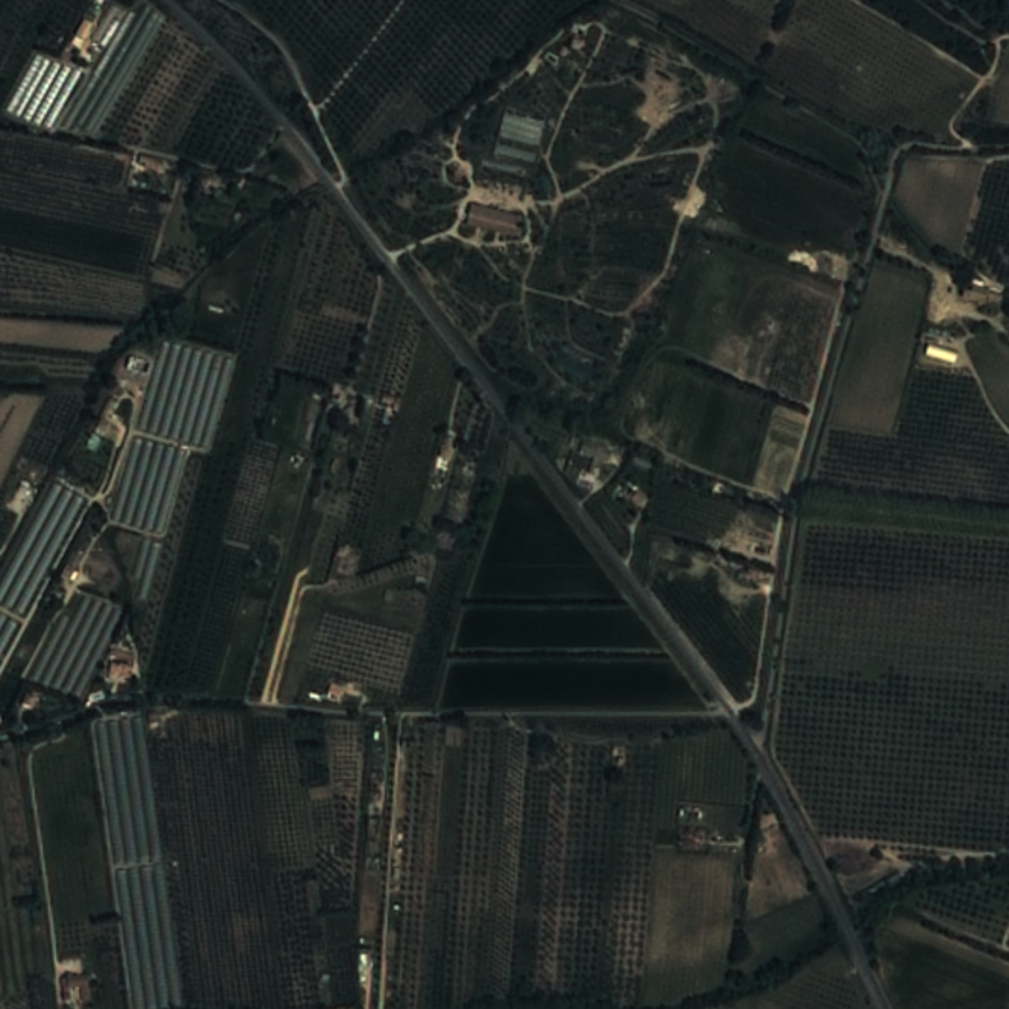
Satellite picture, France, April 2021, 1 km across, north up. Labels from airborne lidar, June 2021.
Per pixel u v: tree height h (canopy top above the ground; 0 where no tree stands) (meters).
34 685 8
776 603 11
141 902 0
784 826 8
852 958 0
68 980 0
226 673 0
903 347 0
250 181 12
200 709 12
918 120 0
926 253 9
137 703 12
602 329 11
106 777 0
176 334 21
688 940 0
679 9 0
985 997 0
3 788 0
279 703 0
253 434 6
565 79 10
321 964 0
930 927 8
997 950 10
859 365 0
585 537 0
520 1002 14
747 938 7
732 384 14
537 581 0
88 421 8
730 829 0
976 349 0
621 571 0
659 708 0
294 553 0
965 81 0
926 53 0
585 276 7
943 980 0
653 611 0
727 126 13
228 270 0
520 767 0
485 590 0
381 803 0
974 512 22
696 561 0
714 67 6
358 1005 7
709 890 0
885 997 0
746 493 6
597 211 11
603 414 5
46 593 6
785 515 14
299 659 0
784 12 6
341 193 0
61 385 0
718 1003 14
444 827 0
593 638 0
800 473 0
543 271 0
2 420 0
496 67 10
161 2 8
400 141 13
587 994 6
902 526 20
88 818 0
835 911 0
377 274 10
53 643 0
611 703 0
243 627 0
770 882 0
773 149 19
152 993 0
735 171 0
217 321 0
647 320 14
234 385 0
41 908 8
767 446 0
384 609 0
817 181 0
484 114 6
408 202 0
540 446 10
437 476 0
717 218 0
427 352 0
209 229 6
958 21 13
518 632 0
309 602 0
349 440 13
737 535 0
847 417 0
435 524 7
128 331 8
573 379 9
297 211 11
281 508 0
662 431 0
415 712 0
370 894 0
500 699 0
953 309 0
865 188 7
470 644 0
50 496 0
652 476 7
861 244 7
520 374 10
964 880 7
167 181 6
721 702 0
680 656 0
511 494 0
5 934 0
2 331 0
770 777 0
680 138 8
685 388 0
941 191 0
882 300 0
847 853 0
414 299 0
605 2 6
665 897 0
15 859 7
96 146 16
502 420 0
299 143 0
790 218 0
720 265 0
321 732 7
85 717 9
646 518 6
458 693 0
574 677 0
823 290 0
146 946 0
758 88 12
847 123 7
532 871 0
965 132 6
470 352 0
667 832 0
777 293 0
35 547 0
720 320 0
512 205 0
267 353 0
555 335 9
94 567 0
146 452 0
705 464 0
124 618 10
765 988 11
